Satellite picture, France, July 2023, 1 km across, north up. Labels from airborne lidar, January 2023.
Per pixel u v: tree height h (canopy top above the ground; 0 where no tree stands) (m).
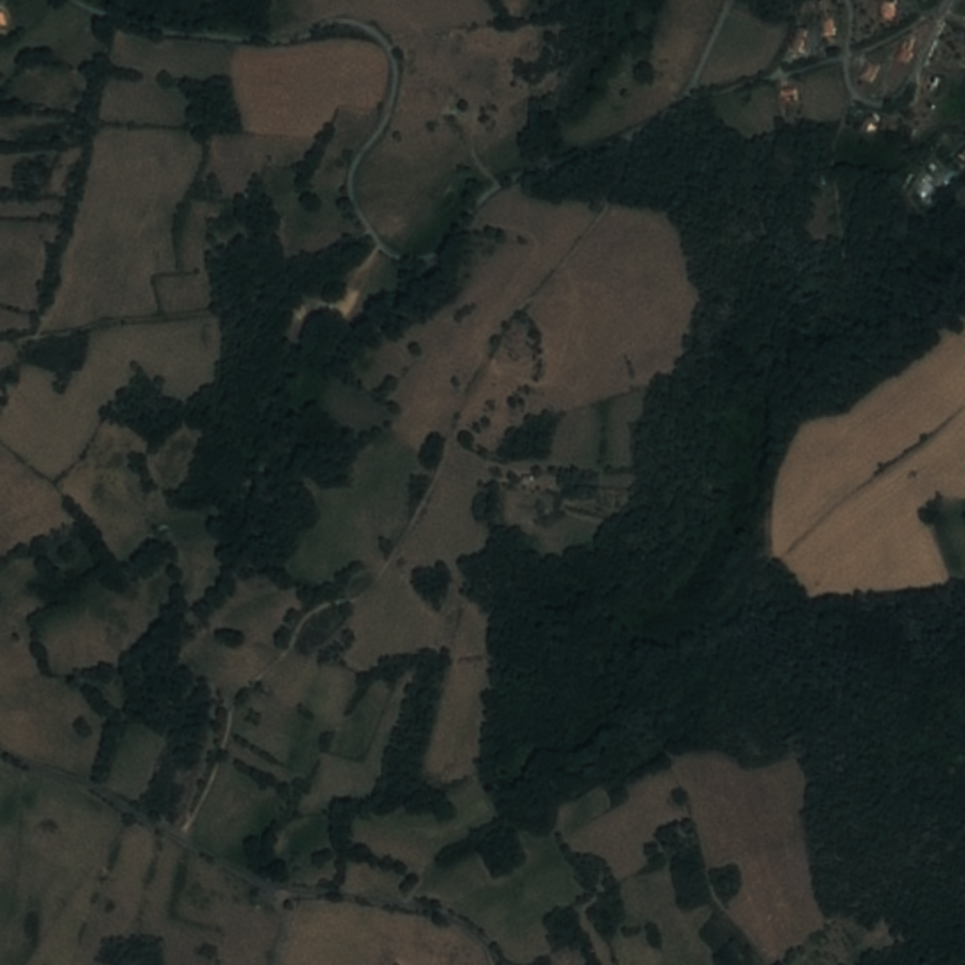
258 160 0
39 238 0
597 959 8
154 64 0
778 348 7
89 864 0
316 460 15
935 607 14
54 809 0
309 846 0
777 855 0
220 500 15
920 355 15
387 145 0
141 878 0
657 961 0
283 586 16
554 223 0
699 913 0
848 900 8
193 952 0
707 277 8
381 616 0
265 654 0
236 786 0
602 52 13
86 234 0
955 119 0
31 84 0
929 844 8
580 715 25
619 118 0
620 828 0
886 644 18
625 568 15
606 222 0
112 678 16
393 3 0
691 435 17
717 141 14
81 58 0
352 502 0
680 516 14
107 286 0
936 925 11
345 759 0
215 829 0
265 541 20
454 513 0
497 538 14
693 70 0
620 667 20
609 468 7
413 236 0
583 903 11
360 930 0
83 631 0
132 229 0
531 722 15
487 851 11
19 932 0
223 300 11
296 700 0
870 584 0
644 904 0
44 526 0
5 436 0
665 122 12
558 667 17
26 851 0
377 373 0
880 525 0
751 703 10
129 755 0
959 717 13
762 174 21
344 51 0
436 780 0
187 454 0
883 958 14
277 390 8
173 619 23
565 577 22
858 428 0
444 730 0
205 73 0
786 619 14
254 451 12
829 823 11
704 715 14
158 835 9
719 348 20
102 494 0
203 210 0
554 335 0
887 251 19
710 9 0
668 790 0
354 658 0
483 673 0
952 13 0
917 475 0
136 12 8
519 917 0
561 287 0
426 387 0
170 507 10
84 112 12
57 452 0
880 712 9
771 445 15
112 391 0
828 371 20
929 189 0
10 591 0
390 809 11
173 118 0
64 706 0
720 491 19
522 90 0
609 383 0
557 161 14
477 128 0
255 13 6
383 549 7
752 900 0
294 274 20
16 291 0
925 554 0
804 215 15
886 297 26
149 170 0
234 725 0
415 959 0
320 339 25
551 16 9
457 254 17
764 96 0
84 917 0
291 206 0
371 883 0
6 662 0
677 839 13
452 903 0
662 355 0
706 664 15
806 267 21
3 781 0
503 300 0
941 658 12
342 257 14
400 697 0
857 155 0
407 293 6
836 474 0
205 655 0
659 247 0
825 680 16
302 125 0
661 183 16
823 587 0
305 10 0
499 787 24
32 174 13
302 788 15
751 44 0
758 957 0
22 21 0
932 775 6
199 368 0
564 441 0
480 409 0
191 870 0
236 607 0
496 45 0
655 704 17
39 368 0
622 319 0
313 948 0
